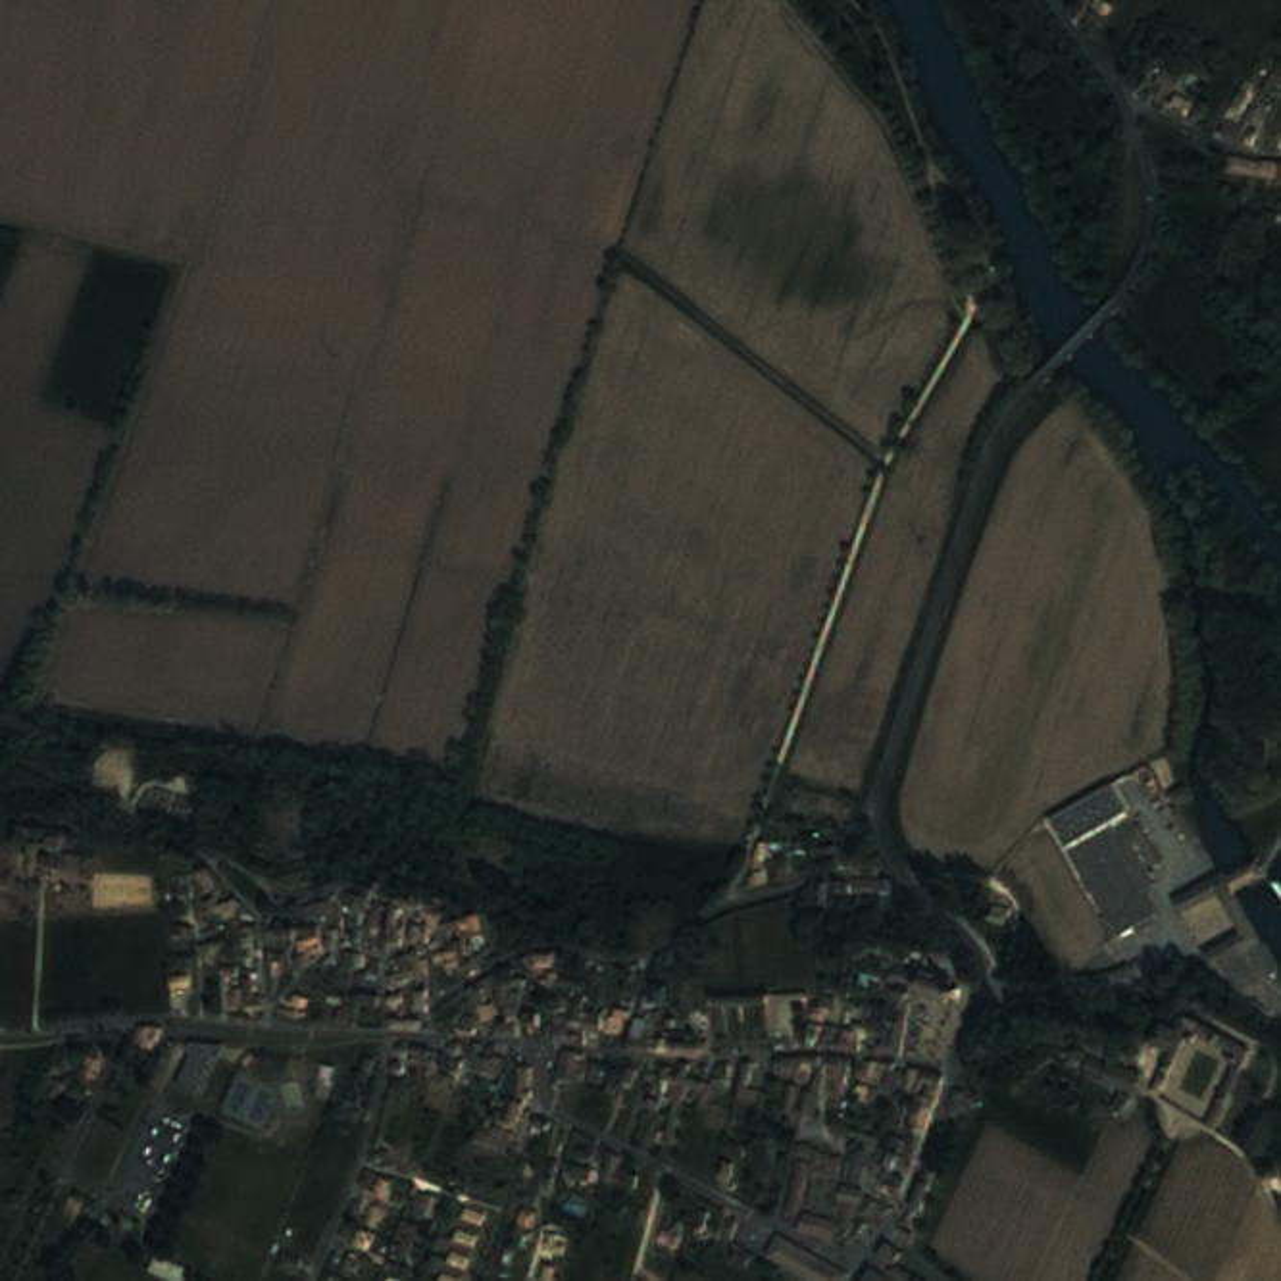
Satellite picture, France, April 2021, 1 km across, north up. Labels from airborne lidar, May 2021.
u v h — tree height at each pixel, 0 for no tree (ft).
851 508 0
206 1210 0
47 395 0
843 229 0
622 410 0
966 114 0
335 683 0
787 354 0
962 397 0
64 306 0
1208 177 49
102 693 0
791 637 0
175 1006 0
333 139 0
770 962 0
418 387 0
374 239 0
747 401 0
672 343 0
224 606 48
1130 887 0
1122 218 44
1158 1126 24
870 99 0
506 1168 0
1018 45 64
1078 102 0
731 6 0
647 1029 0
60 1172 0
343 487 0
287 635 0
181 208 0
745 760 0
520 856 70
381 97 0
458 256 0
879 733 0
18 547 0
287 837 0
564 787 0
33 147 0
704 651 0
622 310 0
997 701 0
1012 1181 0
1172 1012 36
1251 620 107
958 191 0
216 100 0
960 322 40
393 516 0
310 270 0
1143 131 30
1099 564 0
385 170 0
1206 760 61
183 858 29
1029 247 0
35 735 60
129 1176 0
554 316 0
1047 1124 0
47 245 0
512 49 0
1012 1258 0
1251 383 35
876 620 0
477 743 45
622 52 0
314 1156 0
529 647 0
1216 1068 0
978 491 0
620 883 0
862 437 0
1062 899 0
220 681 0
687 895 0
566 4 0
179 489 0
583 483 0
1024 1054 28
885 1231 0
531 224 0
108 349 0
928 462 0
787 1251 0
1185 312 0
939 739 0
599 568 0
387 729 0
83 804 55
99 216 0
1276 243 23
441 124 0
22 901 0
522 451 0
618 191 0
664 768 0
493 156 0
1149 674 0
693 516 0
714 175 0
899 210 0
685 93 0
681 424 0
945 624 0
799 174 0
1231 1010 28
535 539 26
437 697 0
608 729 0
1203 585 27
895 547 0
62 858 0
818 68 0
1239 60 27
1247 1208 0
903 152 43
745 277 0
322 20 0
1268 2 0
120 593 54
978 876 60
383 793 68
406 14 0
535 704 0
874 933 33
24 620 0
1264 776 97
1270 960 0
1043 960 52
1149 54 26
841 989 35
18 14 0
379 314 0
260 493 0
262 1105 0
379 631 0
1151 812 0
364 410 0
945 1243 0
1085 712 0
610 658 0
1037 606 0
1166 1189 0
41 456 0
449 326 0
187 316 0
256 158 0
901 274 0
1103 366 0
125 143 0
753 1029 0
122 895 0
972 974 81
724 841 0
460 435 0
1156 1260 0
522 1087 0
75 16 0
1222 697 59
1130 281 0
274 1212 0
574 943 25
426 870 53
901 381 0
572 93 0
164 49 0
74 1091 36
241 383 0
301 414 0
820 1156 0
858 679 0
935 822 0
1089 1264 0
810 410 0
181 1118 0
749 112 0
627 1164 24
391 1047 0
